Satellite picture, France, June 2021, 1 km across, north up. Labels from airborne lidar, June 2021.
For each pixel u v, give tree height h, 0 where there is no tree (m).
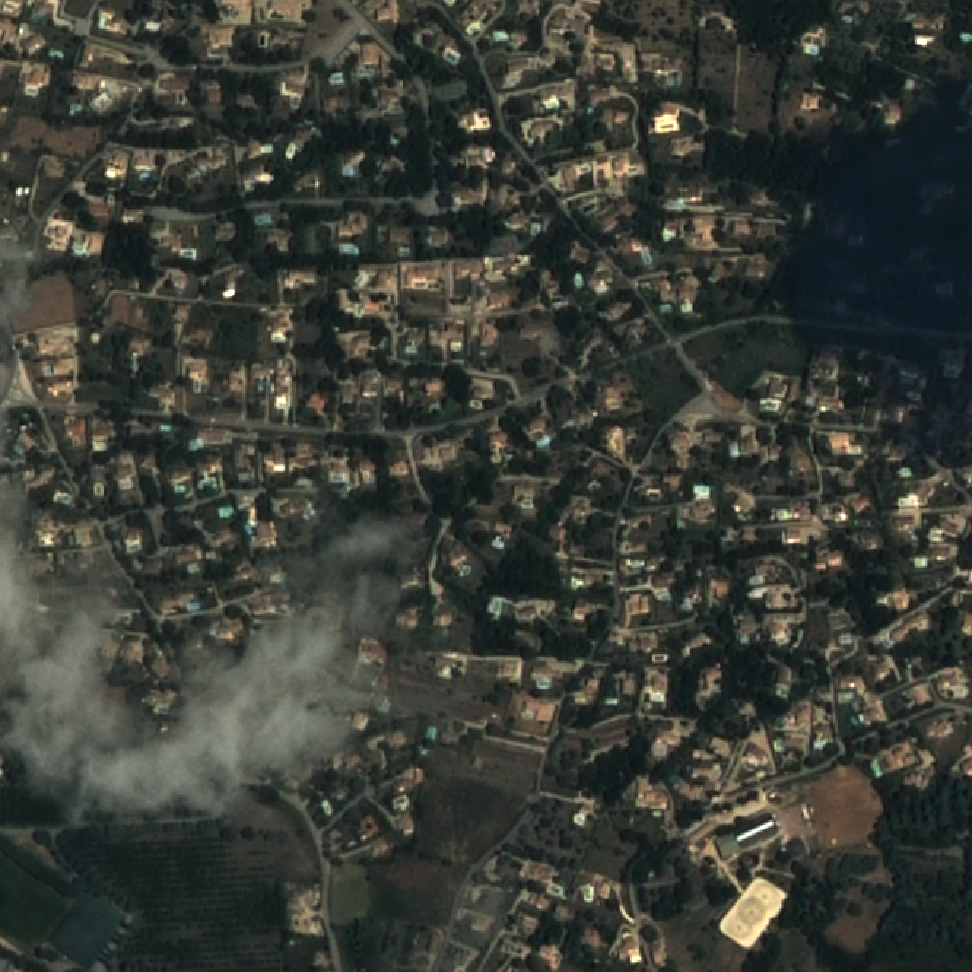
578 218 9
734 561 13
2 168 0
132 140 13
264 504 17
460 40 13
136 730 11
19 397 0
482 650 13
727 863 0
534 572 13
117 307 0
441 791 0
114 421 11
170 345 11
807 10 13
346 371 6
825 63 11
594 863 0
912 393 0
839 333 0
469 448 9
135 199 9
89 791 6
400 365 11
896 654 8
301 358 12
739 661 13
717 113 14
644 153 8
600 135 18
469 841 0
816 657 10
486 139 12
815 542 9
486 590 16
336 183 6
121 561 11
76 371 0
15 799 6
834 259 15
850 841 0
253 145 0
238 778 0
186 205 10
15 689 7
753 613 7
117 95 0
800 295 9
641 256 0
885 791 12
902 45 9
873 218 16
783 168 13
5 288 8
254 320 7
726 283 14
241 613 10
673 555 12
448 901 0
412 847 7
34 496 7
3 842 14
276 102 6
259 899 6
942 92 11
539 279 8
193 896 5
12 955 15
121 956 6
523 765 0
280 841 8
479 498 10
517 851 14
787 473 6
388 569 8
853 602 10
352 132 10
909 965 0
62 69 6
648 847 11
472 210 8
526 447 5
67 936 0
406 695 0
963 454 7
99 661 10
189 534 9
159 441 7
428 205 0
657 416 10
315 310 12
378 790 9
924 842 12
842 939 0
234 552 6
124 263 15
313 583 13
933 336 0
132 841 6
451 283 0
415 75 11
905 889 17
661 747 0
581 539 7
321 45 0
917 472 9
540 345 0
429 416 8
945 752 0
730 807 8
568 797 0
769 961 12
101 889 10
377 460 13
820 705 8
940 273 9
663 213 8
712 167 11
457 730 9
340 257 10
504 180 8
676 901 8
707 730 11
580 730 10
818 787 0
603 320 9
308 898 0
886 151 0
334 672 9
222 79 12
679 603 6
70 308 0
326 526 9
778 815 0
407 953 6
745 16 16
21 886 0
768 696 13
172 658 12
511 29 9
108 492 7
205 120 8
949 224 11
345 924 0
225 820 9
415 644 5
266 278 13
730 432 7
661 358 8
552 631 11
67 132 0
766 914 0
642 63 7
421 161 14
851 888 11
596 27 11
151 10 9
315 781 12
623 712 8
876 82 13
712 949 0
